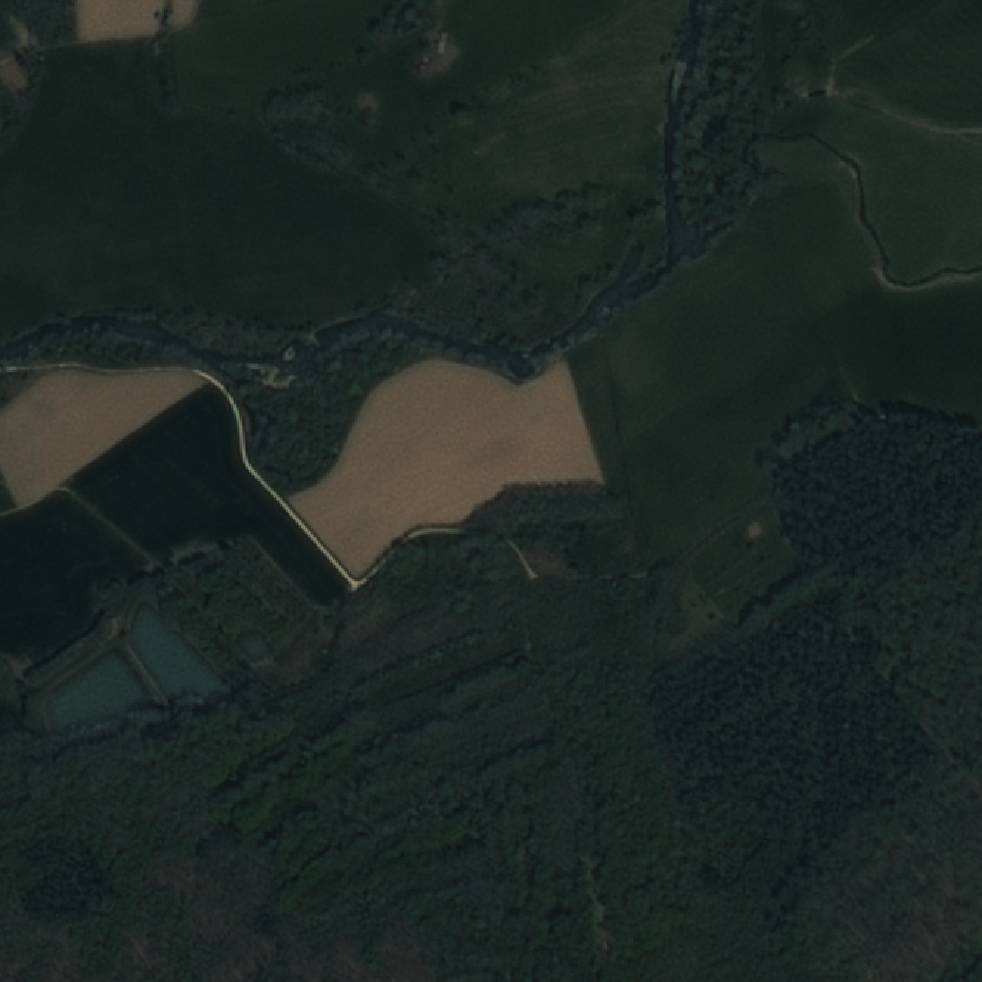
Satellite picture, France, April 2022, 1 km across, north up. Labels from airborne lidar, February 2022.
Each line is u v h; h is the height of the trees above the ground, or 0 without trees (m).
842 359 0
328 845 25
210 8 0
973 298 0
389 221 0
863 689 21
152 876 23
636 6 0
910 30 0
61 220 0
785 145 0
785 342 0
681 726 22
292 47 0
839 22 0
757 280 0
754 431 0
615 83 0
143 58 0
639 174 0
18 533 0
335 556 0
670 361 0
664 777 27
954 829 31
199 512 0
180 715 17
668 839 23
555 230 19
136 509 0
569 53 0
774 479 25
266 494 0
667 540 0
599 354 0
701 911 29
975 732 28
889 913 31
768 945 23
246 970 23
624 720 25
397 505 0
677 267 9
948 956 27
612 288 0
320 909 19
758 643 24
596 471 0
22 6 19
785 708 22
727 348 0
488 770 17
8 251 0
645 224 17
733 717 29
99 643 0
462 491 0
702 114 20
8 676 19
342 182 0
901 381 0
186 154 0
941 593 27
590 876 23
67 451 0
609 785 16
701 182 16
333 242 0
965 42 0
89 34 0
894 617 21
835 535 35
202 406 0
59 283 0
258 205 0
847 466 30
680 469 0
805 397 0
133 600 0
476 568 22
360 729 21
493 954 27
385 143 0
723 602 0
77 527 0
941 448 21
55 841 18
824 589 24
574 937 22
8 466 0
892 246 0
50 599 0
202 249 0
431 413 0
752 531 0
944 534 25
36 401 0
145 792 25
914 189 0
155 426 0
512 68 0
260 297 0
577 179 0
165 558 0
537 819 27
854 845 27
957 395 0
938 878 29
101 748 25
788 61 8
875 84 0
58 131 0
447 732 24
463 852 14
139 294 0
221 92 0
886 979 24
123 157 0
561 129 0
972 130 0
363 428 0
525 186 0
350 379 18
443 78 0
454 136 0
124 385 0
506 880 22
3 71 0
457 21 0
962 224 0
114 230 0
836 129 0
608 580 7
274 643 17
